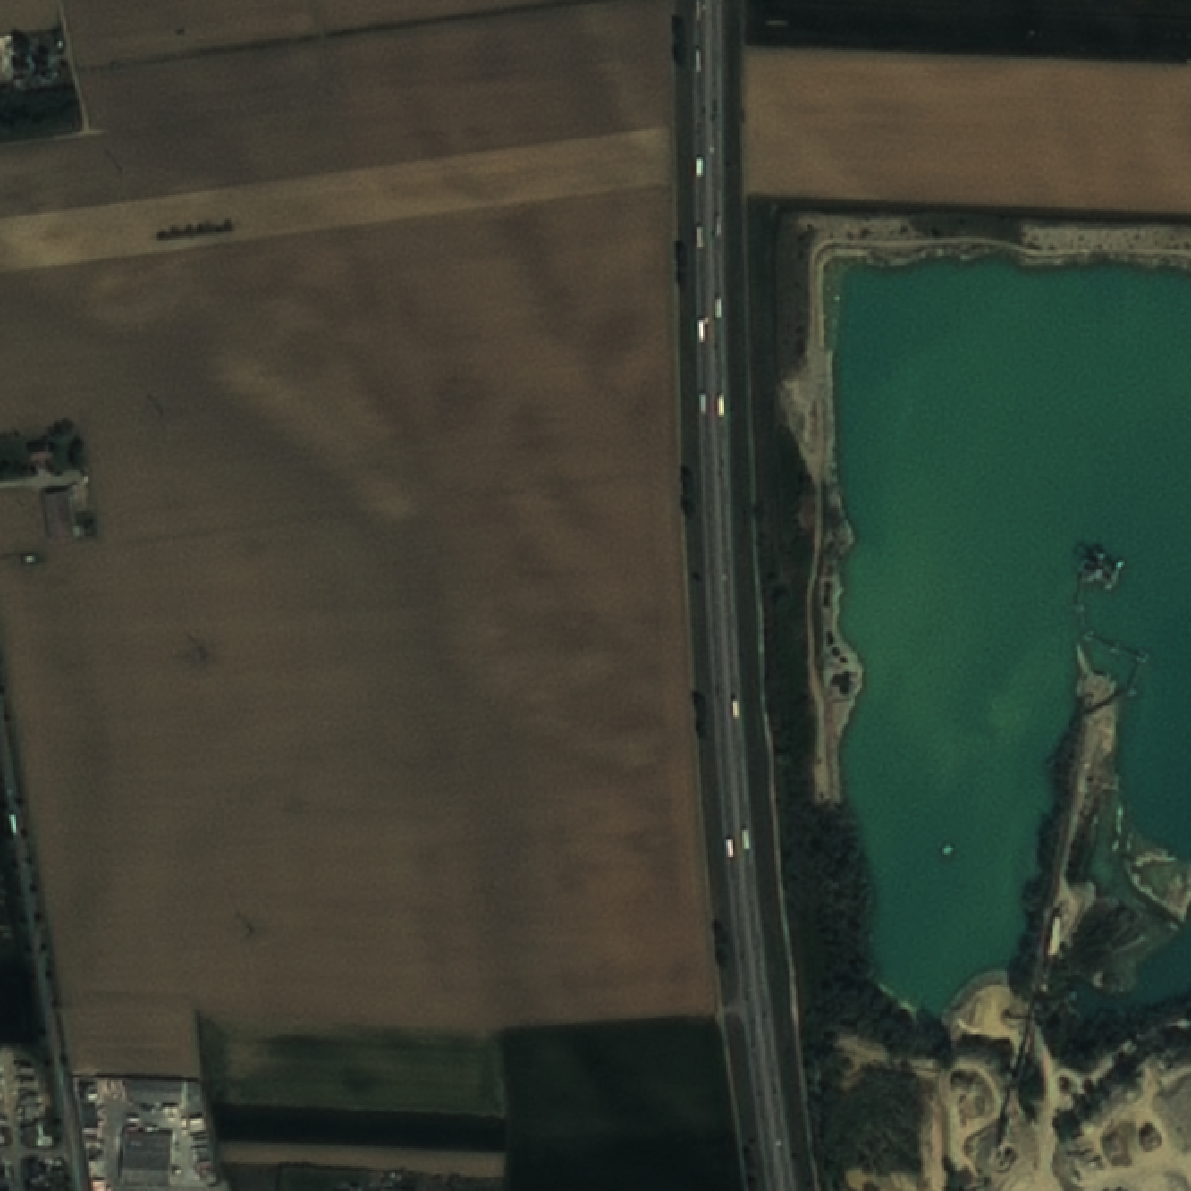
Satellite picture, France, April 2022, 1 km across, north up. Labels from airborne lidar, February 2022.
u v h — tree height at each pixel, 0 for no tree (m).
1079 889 0
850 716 0
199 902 0
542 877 0
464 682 0
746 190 0
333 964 0
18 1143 0
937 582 0
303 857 0
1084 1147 0
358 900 0
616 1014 0
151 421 0
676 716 0
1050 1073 0
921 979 0
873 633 0
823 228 0
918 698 0
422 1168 0
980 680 0
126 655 0
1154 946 0
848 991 18
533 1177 0
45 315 0
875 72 0
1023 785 0
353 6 0
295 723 0
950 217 0
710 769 0
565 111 0
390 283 0
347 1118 0
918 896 0
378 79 0
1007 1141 11
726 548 0
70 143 0
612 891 0
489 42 0
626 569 0
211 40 0
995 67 0
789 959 0
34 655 0
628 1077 0
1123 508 0
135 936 0
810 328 0
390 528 0
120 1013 0
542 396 0
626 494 0
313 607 0
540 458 0
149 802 0
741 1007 0
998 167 0
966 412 0
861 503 0
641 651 0
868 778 0
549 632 0
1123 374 0
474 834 0
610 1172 0
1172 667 0
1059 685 0
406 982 0
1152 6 0
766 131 0
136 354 0
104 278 0
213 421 0
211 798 0
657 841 0
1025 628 0
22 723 0
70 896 0
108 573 0
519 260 0
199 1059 0
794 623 0
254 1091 0
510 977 0
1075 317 0
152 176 0
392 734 0
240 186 0
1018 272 0
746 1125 0
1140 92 0
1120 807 0
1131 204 0
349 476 0
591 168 0
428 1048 0
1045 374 0
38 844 0
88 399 0
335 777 0
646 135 0
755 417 0
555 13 0
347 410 0
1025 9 0
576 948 0
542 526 0
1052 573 0
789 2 0
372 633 0
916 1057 0
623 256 0
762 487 0
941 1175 0
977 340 0
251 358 0
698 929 0
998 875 0
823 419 0
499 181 0
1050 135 0
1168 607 0
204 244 0
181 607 0
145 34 0
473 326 0
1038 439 0
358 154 0
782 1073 0
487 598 0
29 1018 0
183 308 0
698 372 0
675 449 0
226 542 0
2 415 0
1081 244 0
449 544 0
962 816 0
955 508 0
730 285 0
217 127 0
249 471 0
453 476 0
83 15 0
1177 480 0
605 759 0
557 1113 0
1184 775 0
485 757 0
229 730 0
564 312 0
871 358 0
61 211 0
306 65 0
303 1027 0
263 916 0
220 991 0
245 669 0
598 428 0
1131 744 0
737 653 0
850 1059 0
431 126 0
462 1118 0
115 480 0
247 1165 0
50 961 0
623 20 0
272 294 0
